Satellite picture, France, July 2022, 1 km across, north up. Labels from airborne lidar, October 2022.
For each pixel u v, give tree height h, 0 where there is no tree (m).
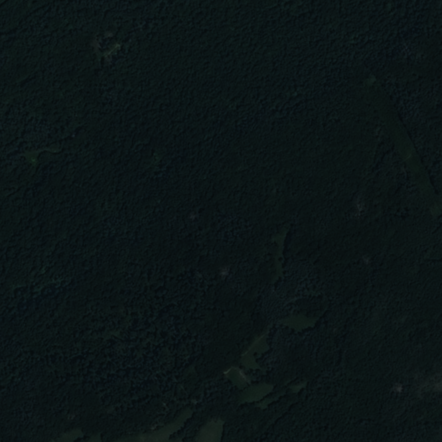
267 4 16
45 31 28
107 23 25
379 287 19
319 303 18
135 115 18
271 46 19
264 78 23
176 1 19
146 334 29
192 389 14
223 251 35
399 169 19
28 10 12
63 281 16
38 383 18
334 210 14
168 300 24
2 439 6
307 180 10
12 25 11
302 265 25
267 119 14
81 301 22
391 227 24
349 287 20
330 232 18
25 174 24
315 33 22
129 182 18
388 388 12
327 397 12
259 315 26
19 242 26
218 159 18
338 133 18
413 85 25
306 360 22
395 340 14
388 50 25
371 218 16
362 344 10
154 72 14
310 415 8
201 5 17
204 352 23
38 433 10
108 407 20
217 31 14
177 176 27
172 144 23
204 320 22
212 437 0
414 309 10
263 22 15
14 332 15
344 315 18
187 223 33
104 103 9
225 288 24
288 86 19
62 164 16
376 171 18
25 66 22
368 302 19
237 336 21
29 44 27
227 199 11
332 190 16
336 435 8
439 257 10
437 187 24
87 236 17
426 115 26
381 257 23
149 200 25
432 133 26
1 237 23
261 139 14
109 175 20
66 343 17
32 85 23
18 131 22
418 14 24
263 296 25
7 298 25
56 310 25
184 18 20
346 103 17
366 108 27
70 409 26
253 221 29
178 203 20
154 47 19
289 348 25
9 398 15
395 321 6
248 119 9
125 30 18
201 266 33
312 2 13
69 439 0
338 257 16
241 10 19
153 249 15
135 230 14
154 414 16
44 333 16
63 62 15
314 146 13
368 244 14
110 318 10
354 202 27
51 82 24
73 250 18
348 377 17
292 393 13
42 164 8
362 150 12
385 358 13
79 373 7
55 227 18
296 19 23
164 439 0
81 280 20
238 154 24
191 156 28
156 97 15
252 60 22
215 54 20
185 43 18
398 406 7
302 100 22
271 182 15
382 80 18
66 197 16
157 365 28
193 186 24
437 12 23
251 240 28
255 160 13
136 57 18
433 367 13
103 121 19
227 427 14
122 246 19
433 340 9
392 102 7
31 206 20
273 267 17
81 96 18
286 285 21
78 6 23
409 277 14
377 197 21
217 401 23
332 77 27
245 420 13
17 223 18
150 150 28
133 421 19
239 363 12
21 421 16
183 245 24
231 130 21
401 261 13
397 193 30
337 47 20
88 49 20
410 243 12
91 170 15
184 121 24
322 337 19
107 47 22
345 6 18
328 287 19
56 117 16
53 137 29
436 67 28
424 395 10
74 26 23
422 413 14
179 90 20
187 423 13
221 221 27
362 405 13
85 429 16
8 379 8
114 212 16
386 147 12
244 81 21
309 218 15
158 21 26
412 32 21
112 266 24
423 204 11
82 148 16
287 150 19
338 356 7
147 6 30
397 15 21
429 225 12
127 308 21
